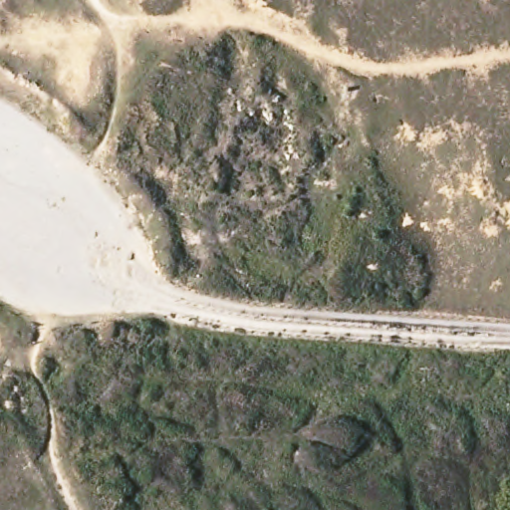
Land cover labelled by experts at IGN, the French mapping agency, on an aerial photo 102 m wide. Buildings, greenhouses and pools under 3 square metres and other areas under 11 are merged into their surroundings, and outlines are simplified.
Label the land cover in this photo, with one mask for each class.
<instances>
[{"label":"herbaceous vegetation","instance_id":"1","mask_svg":"<svg viewBox=\"0 0 510 510\"><path fill-rule=\"evenodd\" d=\"M269 8L291 16L295 4H313V16L309 24L311 32L321 40V44L333 46L341 54L361 52L365 58L373 62H398V58L402 56H410L412 52L420 54L426 50L432 56H468L474 54L480 46L498 48L500 44H510V0H263ZM251 52L259 58L261 94L277 96L279 100H285V110L291 112V120L295 122L293 147L297 149L299 159H285V153L281 149L277 153L269 151L261 143L259 135L245 133L241 139V147L249 149L251 159H259L263 163L261 171L243 173L239 179V191L231 193H219L211 189L213 183L219 179L217 157L207 161L205 157L209 147L213 145L203 133V126L209 118V102L213 88V76L203 66L205 60L195 52L191 44H183L177 40L173 44L153 42L145 40L139 32L133 40L135 64L133 70L127 74V102L118 118V126L122 129L126 127L129 114L145 116V120L137 129V137L141 141L143 151L147 153L155 149L161 167H167L169 171L179 175V181H161L171 201V207L161 213L167 221L171 239V259L169 269L165 271L169 277L177 279L183 285L187 277L195 273L197 277H201V289L197 293L233 301H261L267 305L287 303L295 309H327L351 313H390L428 309L458 315H482L510 323V227L494 237H486L480 231V223L484 221V205L474 193H464L462 197L454 199L452 213H446L444 195L440 191H432L430 187V181L434 177V157L424 149H418L416 145H410V139L396 141L394 135L398 131V126L402 124H408L412 129L424 133L426 127H436L446 120H456L458 124H478L484 129L488 159L492 165L484 175H490L492 179L496 201H510V62L498 64L486 74L466 72L462 68H444L422 78L390 74L367 76L369 82L357 92V100L349 104L351 114L363 112V124L357 127L349 126L343 131L337 124L335 110L327 102V94L321 88L325 78L315 68L299 50L289 48L273 36L259 34L253 40ZM313 131H319V135L337 137V145L333 147L331 155L325 157L323 163H315L311 155L309 139ZM271 165H277L283 177V193H273V183L269 177ZM434 219H452L454 229L450 233L448 229L426 233L420 229L422 221ZM185 231L199 233L201 243L209 251L207 259L199 261L187 253L183 241ZM56 343L42 353L44 357H54L60 367L50 379H44L42 373L38 377V381L44 384V390L48 394L50 408H58V412L64 414L62 426L66 434L58 438L60 460L64 474L72 486V494L84 510H131V506L124 502L127 486L122 470L114 464V454H120L126 460L131 466V478H135L141 486V492L135 496L141 510H510V351L460 353L454 347L408 349L377 345L371 341H345L343 337H333L331 341H313L281 337L277 341L279 351H275L269 345L267 349H261L257 341L259 337L249 333L237 335L235 331L211 333L205 329L169 323L167 335L153 337L147 331H122L118 337L112 335L108 343H100L98 333L94 329L84 327L82 323L54 327ZM197 442L203 444V486L199 490L195 488L193 476L185 464L189 458H193ZM0 510H68L60 494L56 476L52 472L48 454L32 462L30 448L16 450L12 444L2 446L0 442Z\"/></svg>","mask_w":510,"mask_h":510},{"label":"pervious surface","instance_id":"2","mask_svg":"<svg viewBox=\"0 0 510 510\"><path fill-rule=\"evenodd\" d=\"M92 8L110 26L116 46V98L110 116V126L102 141L94 133H88L80 126L58 100L48 96L36 84H30L22 76L12 74L10 70L0 66V301L12 305L14 309L30 315L34 321L40 323L38 341L30 349V371L34 377H38L42 373L44 357L42 353L56 343L54 327L82 323L84 327L94 329L98 333L100 343H108L112 335L114 321H129L135 315H153L169 323L205 329L211 333L235 331L237 335L249 333L259 337L267 333H279L281 337L313 341H331L333 337H343L345 341H371L377 345L408 349L454 347L460 353L510 351V323L482 315H458L428 309L390 313H351L327 309H295L287 303L267 305L261 301H233L197 293L187 291L183 287H173L169 283V277L165 271L169 269L171 259V239L167 221L161 213L155 209L153 201L145 193L139 191L137 183L127 177L126 171L118 169L116 149L122 129L118 126V118L127 102V74L133 70L135 64L133 40L139 32L163 30L167 26L181 24L193 30L197 36H207L213 42L219 38L221 32L227 30L247 28L259 34L273 36L289 48L299 50L315 68L317 64L329 62L345 66L355 74L367 76L390 74L422 78L444 68H462L466 72L486 74L498 64L510 62V44H500L498 48L480 46L474 54L468 56H432L426 50L420 54L412 52L410 56H402L398 58V62H373L365 58L361 52L341 54L333 46L321 44V40L311 32L309 24L305 20H297L291 16L269 8L263 0H191V4L181 6L173 14L151 16L143 12V0H88ZM10 32L4 36L0 34V52L28 60L40 58L42 54L54 56L58 62V86L78 108H86L90 102L86 98V88L90 80V62L96 54L100 28L76 14H68L60 22H44L40 18H18L12 12L8 18ZM52 432L48 454L52 472L56 476L60 494L68 510H84L72 494V486L64 474L60 460L58 438L66 434L62 426L64 414L58 412V408H50Z\"/></svg>","mask_w":510,"mask_h":510},{"label":"bare soil","instance_id":"3","mask_svg":"<svg viewBox=\"0 0 510 510\"><path fill-rule=\"evenodd\" d=\"M12 12L18 18H40L44 22H60L68 14H76L100 28L96 54L90 62V80L86 88V98L90 102L86 108H78L58 86V62L54 56L42 54L40 58L28 60L0 52V66L10 70L12 74L22 76L30 84H36L48 96L58 100L80 126L88 133H94L102 141L110 126V116L116 98V46L110 26L92 8L88 0H0V34L4 36L10 32L8 18ZM191 4V0H143V12L151 16L173 14L181 6ZM313 16V4H295L291 16L297 20H305L309 24ZM145 40L153 42L173 44L177 40L183 44H191L195 52L205 60L207 50H211L213 42L207 36H197L193 30L181 24L167 26L163 30L139 32ZM237 50L233 58V74L239 78L241 90H225V98L219 106L223 122L217 127V143L209 147L205 157L207 161L227 153V147L233 141V127L241 122L243 114L253 116L261 110L263 120L269 124L273 120L271 110L279 100L277 96L261 94L259 58L251 52L253 40L259 34L247 28L227 30ZM325 78L321 88L327 94V102L335 110L337 124L343 131L349 126L357 127L363 124V112L351 114L349 104L357 100V92L369 82L367 76L355 74L345 66L329 62L317 64L315 68ZM295 122L291 120V112L285 110V135L281 141V149L285 153V159H299L297 149L293 147ZM145 120V116L129 114L126 127L122 129L116 149L118 169L126 171L127 177L137 183L139 191L145 193L153 201L155 209L161 213L171 207V201L161 181H179V175L169 171L167 167H161L155 149L147 153L143 151L141 141L137 137V129ZM396 141L410 139V145H416L418 149H424L434 157V177L430 181V187L432 191H440L444 195L446 213H452L454 199L462 197L464 193H474L484 205V221L480 223V231L486 237H494L510 227V201H496L492 179L490 175H484L492 165L488 159L484 129L478 124H458L456 120H446L436 127H426L424 133L412 129L408 124H402L398 126V131L394 135ZM420 229L426 233L448 229L450 233L454 229L452 219H434L422 221ZM183 241L187 253L199 261L207 259L209 251L201 243L199 233L185 231ZM169 283L173 287H183L187 291L197 293L201 289V277H197L195 273L187 277L183 285L177 279L169 277ZM40 323L34 321L30 315L14 309L12 305L0 301V390L12 377V369L30 371V349L38 341ZM281 337L279 333H267L259 337L257 341L261 349H267L269 345L275 351H279L277 341Z\"/></svg>","mask_w":510,"mask_h":510},{"label":"brushwood","instance_id":"4","mask_svg":"<svg viewBox=\"0 0 510 510\"><path fill-rule=\"evenodd\" d=\"M237 50L227 30L221 32L219 38L213 42L211 50H207L205 60L203 66L213 76V88L209 102V118L203 126V133L213 145L217 143V127L223 122L219 106L225 98V90H241L239 78L233 74V58ZM285 100H279L271 110L273 120L269 124L263 120L261 110L253 116L243 114L241 122L233 127V141L227 147V153L217 157L219 179L213 183L211 189L219 193H231L239 191V179L243 173L261 171L263 163L259 159H251L249 149L241 147V139L245 133L259 135L261 143L269 151L277 153L281 149V141L285 135ZM337 145V137L319 135V131H313L309 139L311 155L315 163H323L325 157L331 155L333 147ZM269 177L273 183V193H283V177L277 165H271ZM169 323L153 315H135L129 321H114L112 335L118 337L122 331H147L153 337L167 335ZM60 367L54 357H44L42 373L44 379H50ZM52 432L50 408L48 394L44 390V384L38 381V377H34L30 371L12 369V377L0 390V442L2 446L12 444L16 450L30 448L32 462L48 454ZM185 464L193 476L195 488L199 490L203 486V444L197 442L193 458H189ZM114 464L122 470L127 486L124 502L131 506V510H141L135 496L141 492V486L135 478H131V466L126 460L120 454H114Z\"/></svg>","mask_w":510,"mask_h":510}]
</instances>
